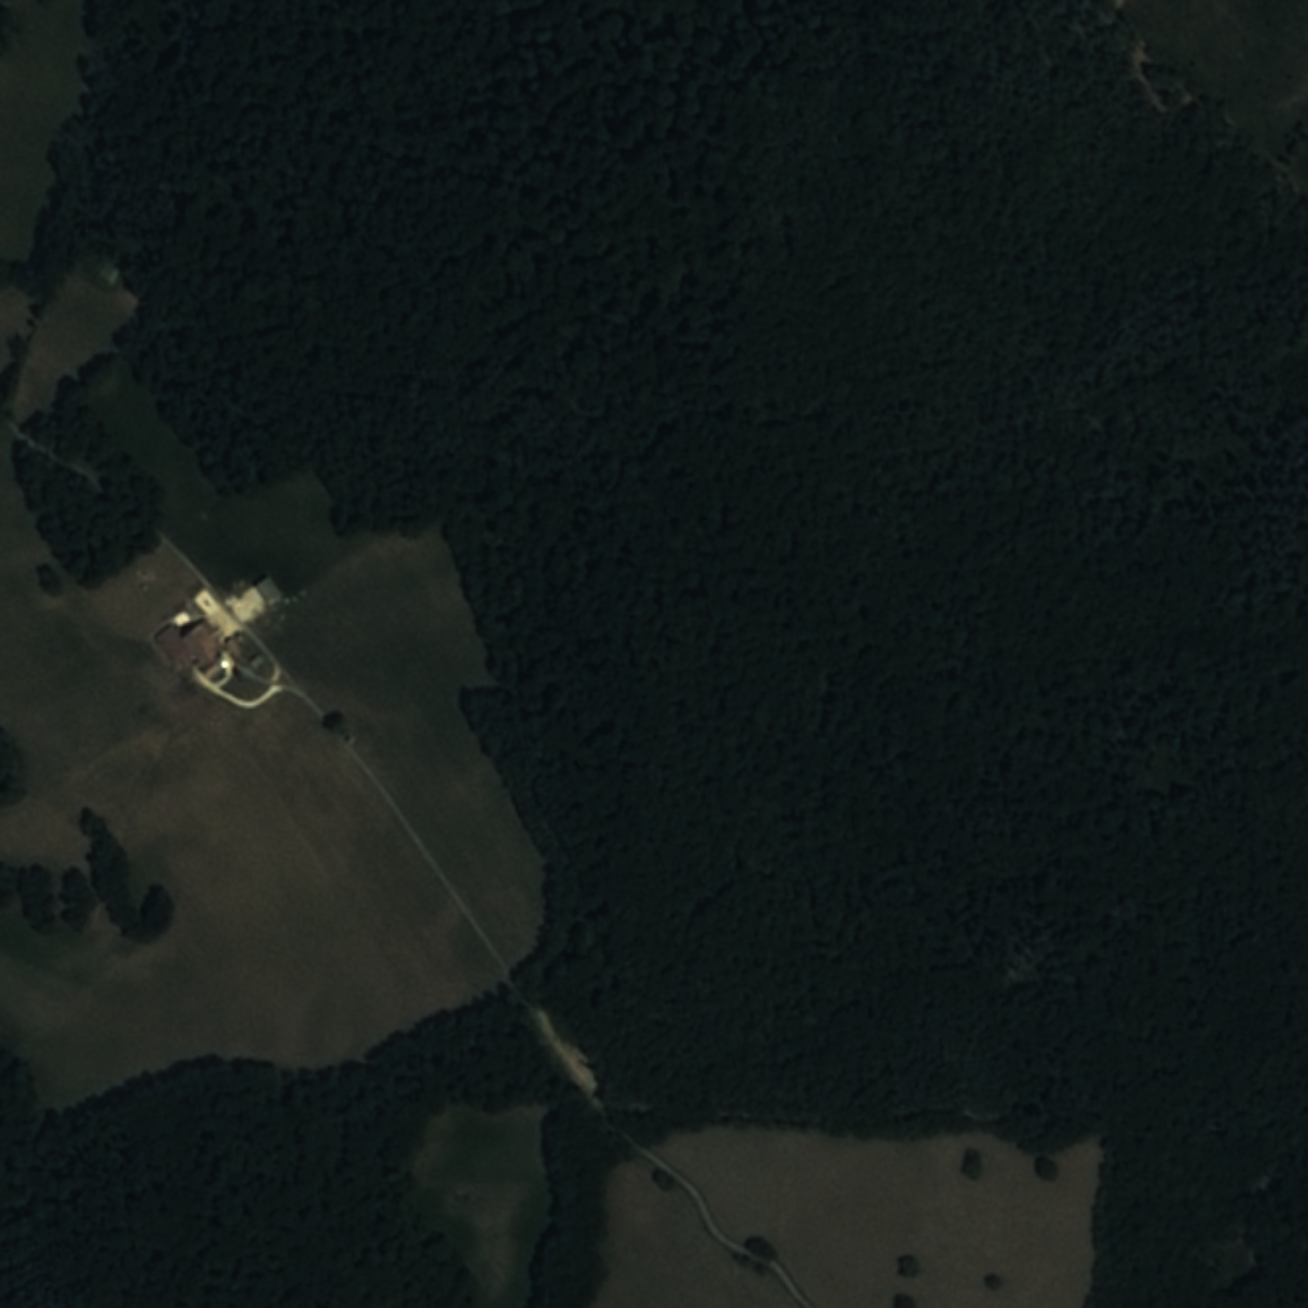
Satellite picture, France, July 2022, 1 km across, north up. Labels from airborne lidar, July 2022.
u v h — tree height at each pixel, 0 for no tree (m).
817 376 18
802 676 10
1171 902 18
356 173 27
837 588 16
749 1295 0
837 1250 0
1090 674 18
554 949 15
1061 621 16
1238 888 20
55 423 14
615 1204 0
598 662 15
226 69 23
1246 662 17
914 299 13
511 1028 13
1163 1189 15
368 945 0
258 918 0
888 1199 0
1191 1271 17
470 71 24
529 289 27
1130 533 14
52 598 13
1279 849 17
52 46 0
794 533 20
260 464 28
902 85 22
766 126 25
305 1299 26
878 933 17
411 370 12
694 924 18
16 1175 22
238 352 19
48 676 0
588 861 16
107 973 0
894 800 21
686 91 29
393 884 0
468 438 24
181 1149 22
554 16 30
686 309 29
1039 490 14
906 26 29
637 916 17
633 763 14
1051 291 17
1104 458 22
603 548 22
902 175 21
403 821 0
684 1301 0
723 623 21
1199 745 17
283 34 28
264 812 0
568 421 28
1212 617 20
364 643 0
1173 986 19
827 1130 9
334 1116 24
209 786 0
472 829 0
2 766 18
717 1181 0
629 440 19
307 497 0
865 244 19
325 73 22
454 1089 22
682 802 18
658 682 17
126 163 26
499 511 23
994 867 20
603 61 27
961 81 21
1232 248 18
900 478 16
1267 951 18
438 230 26
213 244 30
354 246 24
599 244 23
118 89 23
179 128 23
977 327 16
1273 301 29
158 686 0
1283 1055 20
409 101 24
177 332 10
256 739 0
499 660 15
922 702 23
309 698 0
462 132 14
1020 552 18
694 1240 0
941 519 18
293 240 27
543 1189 0
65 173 24
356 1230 22
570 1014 16
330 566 0
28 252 0
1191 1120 14
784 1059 10
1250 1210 19
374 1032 0
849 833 22
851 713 22
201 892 0
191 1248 20
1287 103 0
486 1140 0
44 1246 21
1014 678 15
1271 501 15
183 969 0
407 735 0
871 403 20
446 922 0
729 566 21
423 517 24
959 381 13
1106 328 21
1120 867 22
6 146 0
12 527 0
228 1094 19
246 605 0
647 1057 15
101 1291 21
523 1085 23
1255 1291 20
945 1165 0
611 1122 12
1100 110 16
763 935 21
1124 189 18
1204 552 18
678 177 25
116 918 14
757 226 16
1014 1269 0
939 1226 0
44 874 13
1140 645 18
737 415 21
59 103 0
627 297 24
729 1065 14
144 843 0
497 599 22
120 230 29
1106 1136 8
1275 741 17
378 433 25
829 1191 0
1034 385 21
